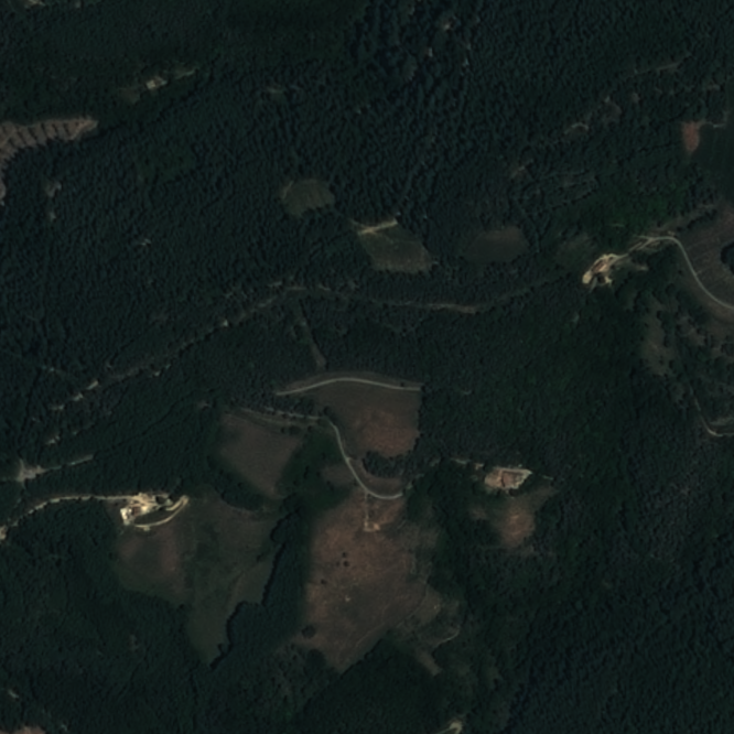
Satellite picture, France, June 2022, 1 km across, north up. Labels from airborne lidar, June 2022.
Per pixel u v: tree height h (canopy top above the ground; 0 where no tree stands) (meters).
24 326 17
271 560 0
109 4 14
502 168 18
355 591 0
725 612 21
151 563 0
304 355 19
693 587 16
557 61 22
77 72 15
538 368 21
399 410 0
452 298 20
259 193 24
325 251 18
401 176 24
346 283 12
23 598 26
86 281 20
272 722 15
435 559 8
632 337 29
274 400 16
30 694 11
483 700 13
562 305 19
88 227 15
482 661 8
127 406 19
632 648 24
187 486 20
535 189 20
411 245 0
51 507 20
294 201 0
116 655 13
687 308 10
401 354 21
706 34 12
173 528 0
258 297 15
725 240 0
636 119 20
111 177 27
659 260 22
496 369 15
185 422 14
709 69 24
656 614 16
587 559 9
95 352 17
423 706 24
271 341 20
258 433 0
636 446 22
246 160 24
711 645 18
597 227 19
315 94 27
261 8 17
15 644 18
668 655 10
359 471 0
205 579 0
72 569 18
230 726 20
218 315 15
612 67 11
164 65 18
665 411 21
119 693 22
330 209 10
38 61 22
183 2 17
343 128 22
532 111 11
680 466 19
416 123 15
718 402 7
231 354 23
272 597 22
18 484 13
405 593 0
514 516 0
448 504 12
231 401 12
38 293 26
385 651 26
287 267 23
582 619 16
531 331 16
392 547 0
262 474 0
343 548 0
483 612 9
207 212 22
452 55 11
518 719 10
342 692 21
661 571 13
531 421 17
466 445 12
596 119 10
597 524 19
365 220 24
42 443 13
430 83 39
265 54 19
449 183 22
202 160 18
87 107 15
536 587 10
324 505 0
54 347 21
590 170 28
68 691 25
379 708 12
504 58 14
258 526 0
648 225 10
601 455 16
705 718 17
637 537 12
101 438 21
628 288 19
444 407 16
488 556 12
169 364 7
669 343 14
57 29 30
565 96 11
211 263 19
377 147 17
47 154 25
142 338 20
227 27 20
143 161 5
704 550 26
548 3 23
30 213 12
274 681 14
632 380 20
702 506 17
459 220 19
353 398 0
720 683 17
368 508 0
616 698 16
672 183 10
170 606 23
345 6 26
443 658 13
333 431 0
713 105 20
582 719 23
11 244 14
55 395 16
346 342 22
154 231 21
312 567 0
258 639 24
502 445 7
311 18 22
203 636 0
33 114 16
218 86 18
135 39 21
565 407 15
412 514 8
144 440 21
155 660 18
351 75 6
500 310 15
